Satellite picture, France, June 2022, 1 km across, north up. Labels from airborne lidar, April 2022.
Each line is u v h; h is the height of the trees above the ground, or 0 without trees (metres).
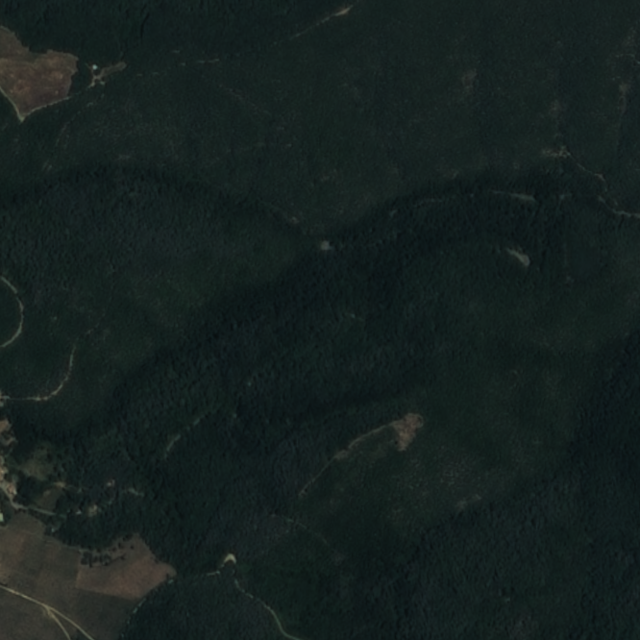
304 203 8
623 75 6
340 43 6
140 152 5
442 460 6
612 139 5
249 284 8
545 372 6
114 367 10
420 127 6
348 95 6
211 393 12
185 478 5
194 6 10
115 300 8
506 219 16
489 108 6
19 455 7
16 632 0
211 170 8
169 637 11
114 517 7
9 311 6
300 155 8
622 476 8
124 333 6
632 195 8
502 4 5
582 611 11
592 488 11
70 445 23
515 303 11
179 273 6
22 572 0
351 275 14
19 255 13
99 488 15
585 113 5
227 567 10
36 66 0
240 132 6
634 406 16
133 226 13
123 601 0
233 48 6
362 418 8
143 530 9
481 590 13
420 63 7
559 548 9
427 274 11
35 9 8
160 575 0
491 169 6
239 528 8
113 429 9
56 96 0
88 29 8
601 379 17
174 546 10
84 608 0
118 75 8
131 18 9
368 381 16
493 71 8
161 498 15
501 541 14
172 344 7
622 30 7
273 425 10
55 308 9
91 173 20
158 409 11
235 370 18
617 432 15
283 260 6
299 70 6
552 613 8
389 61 6
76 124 6
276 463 11
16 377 9
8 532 0
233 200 16
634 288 7
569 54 6
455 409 7
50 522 7
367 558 12
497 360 11
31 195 14
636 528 8
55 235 12
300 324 17
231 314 18
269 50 7
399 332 20
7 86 0
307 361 13
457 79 6
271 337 17
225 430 13
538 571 13
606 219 7
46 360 11
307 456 12
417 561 12
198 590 12
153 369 16
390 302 15
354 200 6
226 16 11
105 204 10
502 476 6
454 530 14
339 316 13
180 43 6
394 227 7
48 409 9
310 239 6
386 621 12
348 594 7
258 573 8
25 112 0
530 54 7
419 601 15
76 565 0
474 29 6
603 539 14
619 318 6
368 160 6
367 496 6
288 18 6
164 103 5
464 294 13
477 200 12
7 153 8
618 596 9
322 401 13
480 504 8
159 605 12
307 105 7
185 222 10
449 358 9
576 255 0
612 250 8
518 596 11
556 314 9
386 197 7
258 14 7
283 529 10
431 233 11
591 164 8
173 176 11
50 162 6
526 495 10
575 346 7
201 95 7
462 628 8
